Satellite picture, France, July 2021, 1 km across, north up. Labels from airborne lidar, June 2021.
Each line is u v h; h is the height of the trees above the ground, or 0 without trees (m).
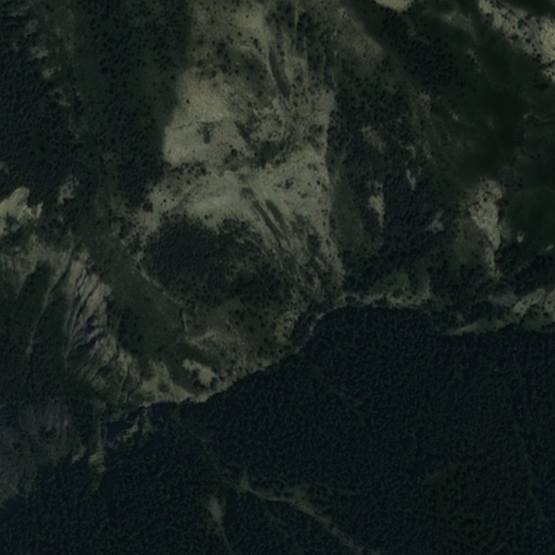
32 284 7
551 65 8
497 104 0
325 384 8
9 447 0
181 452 14
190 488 22
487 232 0
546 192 0
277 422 11
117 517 18
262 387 25
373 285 11
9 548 13
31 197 11
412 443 25
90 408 10
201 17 0
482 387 7
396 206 15
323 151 0
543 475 15
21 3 8
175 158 0
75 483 23
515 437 21
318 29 9
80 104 14
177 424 9
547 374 24
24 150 13
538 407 32
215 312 0
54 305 10
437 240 10
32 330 11
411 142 8
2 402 8
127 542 10
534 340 22
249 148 0
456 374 16
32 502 11
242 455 22
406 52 11
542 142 0
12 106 13
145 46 8
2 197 9
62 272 0
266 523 14
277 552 20
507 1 0
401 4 0
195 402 0
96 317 0
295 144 0
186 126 0
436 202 9
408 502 10
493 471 22
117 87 9
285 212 0
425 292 0
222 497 9
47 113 9
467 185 0
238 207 0
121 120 11
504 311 8
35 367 14
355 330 11
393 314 27
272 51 0
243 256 9
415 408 15
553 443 22
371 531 14
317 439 16
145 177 10
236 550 7
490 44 0
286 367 19
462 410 18
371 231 15
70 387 8
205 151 0
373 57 0
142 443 16
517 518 16
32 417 0
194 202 0
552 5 0
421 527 22
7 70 17
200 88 0
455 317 6
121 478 9
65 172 14
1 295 10
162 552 8
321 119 0
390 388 23
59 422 0
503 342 7
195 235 8
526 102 0
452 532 21
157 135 0
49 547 21
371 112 9
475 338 17
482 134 0
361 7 0
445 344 28
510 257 13
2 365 15
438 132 0
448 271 25
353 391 18
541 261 20
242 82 0
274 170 0
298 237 0
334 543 10
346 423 16
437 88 9
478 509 21
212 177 0
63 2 0
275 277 14
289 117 0
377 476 10
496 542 16
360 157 14
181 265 17
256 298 12
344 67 11
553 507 14
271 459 12
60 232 8
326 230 0
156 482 17
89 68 0
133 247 7
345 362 15
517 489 13
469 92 0
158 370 0
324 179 0
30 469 0
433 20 0
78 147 10
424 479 20
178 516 14
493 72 0
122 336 8
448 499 17
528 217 0
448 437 7
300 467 7
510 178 0
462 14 0
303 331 11
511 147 0
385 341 16
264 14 0
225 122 0
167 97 0
